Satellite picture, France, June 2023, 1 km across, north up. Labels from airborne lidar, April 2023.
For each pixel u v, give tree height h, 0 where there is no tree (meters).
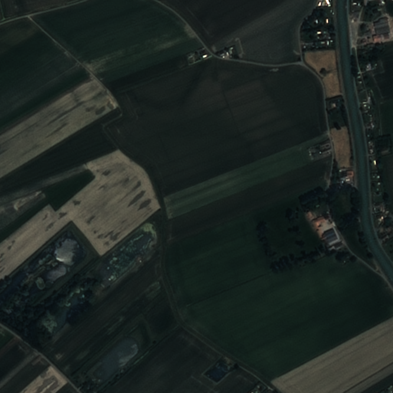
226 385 0
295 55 0
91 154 0
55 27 0
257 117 0
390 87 0
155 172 0
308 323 0
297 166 0
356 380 0
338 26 0
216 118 0
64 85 0
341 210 0
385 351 0
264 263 0
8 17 0
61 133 0
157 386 0
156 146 0
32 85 0
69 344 0
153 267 0
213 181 0
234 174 0
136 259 0
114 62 0
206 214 0
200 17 0
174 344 0
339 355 0
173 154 0
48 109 0
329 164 0
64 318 0
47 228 0
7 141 0
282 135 0
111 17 0
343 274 0
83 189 0
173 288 0
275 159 0
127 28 0
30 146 0
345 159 0
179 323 0
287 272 0
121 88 0
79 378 0
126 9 0
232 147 0
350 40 0
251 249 0
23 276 0
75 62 0
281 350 0
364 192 0
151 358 0
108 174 0
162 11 0
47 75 0
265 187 0
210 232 0
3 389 0
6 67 0
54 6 0
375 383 0
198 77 0
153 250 0
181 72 0
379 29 0
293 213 19
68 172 0
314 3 0
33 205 0
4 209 0
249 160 0
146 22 0
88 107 0
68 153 0
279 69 0
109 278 0
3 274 0
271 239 0
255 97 0
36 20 0
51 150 0
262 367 0
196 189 0
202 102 0
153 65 0
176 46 0
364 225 0
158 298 0
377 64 0
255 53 0
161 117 0
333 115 0
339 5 0
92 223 0
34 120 0
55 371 0
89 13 0
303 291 0
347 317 0
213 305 0
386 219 8
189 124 0
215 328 0
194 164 0
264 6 0
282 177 0
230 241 0
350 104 0
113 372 0
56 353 0
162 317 0
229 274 0
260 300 0
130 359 0
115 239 0
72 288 15
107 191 0
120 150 0
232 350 0
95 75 0
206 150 0
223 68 0
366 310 0
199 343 0
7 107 0
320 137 0
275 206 0
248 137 0
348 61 0
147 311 0
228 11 0
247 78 0
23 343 0
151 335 0
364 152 0
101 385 0
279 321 0
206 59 0
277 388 0
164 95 0
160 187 0
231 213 0
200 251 0
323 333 0
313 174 0
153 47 0
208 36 0
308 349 0
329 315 0
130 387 0
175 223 0
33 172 0
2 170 0
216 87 0
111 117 0
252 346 0
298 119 0
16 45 0
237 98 0
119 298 0
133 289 0
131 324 0
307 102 0
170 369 0
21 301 0
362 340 0
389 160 0
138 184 0
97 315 0
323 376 0
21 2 0
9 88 0
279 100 0
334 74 0
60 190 0
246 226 0
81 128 0
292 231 13
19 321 11
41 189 0
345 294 0
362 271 0
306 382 0
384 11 0
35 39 0
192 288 0
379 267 0
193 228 0
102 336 0
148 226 0
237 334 0
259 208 0
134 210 0
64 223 0
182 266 0
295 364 0
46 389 0
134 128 0
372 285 0
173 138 0
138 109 0
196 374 0
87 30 0
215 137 0
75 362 0
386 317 0
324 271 0
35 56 0
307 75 0
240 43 0
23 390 0
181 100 0
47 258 0
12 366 0
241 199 0
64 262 0
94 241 0
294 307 0
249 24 0
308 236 0
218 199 0
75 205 0
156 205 0
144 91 0
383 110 0
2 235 0
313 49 10
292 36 0
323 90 0
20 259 0
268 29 0
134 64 0
